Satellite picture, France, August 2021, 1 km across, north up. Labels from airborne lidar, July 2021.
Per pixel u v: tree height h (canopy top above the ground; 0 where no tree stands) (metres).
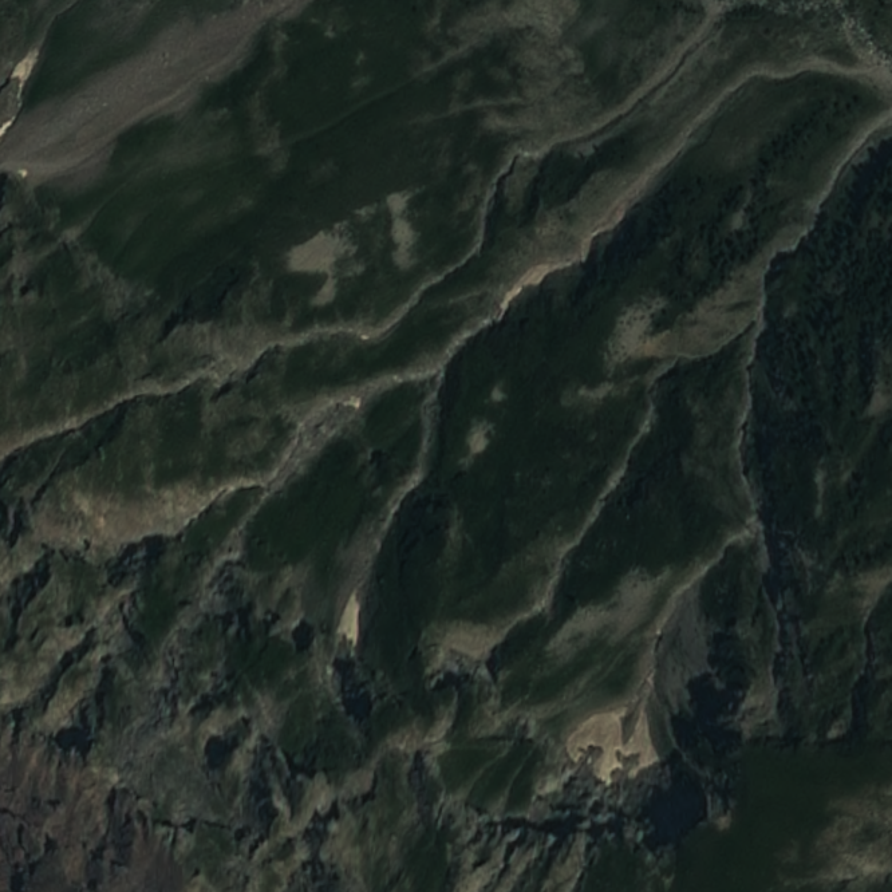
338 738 0
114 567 0
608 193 0
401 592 0
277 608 0
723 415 0
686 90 0
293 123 0
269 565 0
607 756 0
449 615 0
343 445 0
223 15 0
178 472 0
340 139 0
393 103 0
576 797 0
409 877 0
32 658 0
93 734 0
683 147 0
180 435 0
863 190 12
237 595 0
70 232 0
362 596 0
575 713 0
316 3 0
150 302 0
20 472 0
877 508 0
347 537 0
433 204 0
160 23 0
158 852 0
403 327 0
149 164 0
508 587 0
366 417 0
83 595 0
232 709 0
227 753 0
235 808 0
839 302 8
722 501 0
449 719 0
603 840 0
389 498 0
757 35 0
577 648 0
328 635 0
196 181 0
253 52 0
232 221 0
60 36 0
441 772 0
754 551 0
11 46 0
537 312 0
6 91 0
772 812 0
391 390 0
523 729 0
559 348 0
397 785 0
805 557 0
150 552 0
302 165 0
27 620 0
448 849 0
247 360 0
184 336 0
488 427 0
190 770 0
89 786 0
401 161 0
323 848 0
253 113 0
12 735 0
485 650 0
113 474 0
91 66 0
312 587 0
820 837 0
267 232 0
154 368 0
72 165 0
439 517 0
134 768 0
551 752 0
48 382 0
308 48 0
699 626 0
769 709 0
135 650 0
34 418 0
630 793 0
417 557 0
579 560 0
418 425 0
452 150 0
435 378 0
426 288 0
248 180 0
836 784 0
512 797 0
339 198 0
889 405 0
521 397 0
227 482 0
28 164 0
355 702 0
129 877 0
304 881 0
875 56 0
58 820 0
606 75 0
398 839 0
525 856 0
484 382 0
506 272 0
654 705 0
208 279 0
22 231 0
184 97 0
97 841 0
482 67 0
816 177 0
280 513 0
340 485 0
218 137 0
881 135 0
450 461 0
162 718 0
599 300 0
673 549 0
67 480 0
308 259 0
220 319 0
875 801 0
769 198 11
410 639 0
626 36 0
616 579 0
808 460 0
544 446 0
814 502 0
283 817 0
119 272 0
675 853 0
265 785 0
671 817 0
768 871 0
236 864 0
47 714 0
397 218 0
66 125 0
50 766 0
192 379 0
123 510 0
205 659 0
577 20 0
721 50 0
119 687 0
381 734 0
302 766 0
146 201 0
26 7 0
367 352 0
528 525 0
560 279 0
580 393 0
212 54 0
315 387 0
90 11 0
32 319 0
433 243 0
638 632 0
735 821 0
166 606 0
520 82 0
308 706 0
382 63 0
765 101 0
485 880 0
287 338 0
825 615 0
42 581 0
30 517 0
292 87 0
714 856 0
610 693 0
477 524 0
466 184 0
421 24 0
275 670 0
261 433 0
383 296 0
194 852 0
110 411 0
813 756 0
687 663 0
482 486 0
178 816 0
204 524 0
